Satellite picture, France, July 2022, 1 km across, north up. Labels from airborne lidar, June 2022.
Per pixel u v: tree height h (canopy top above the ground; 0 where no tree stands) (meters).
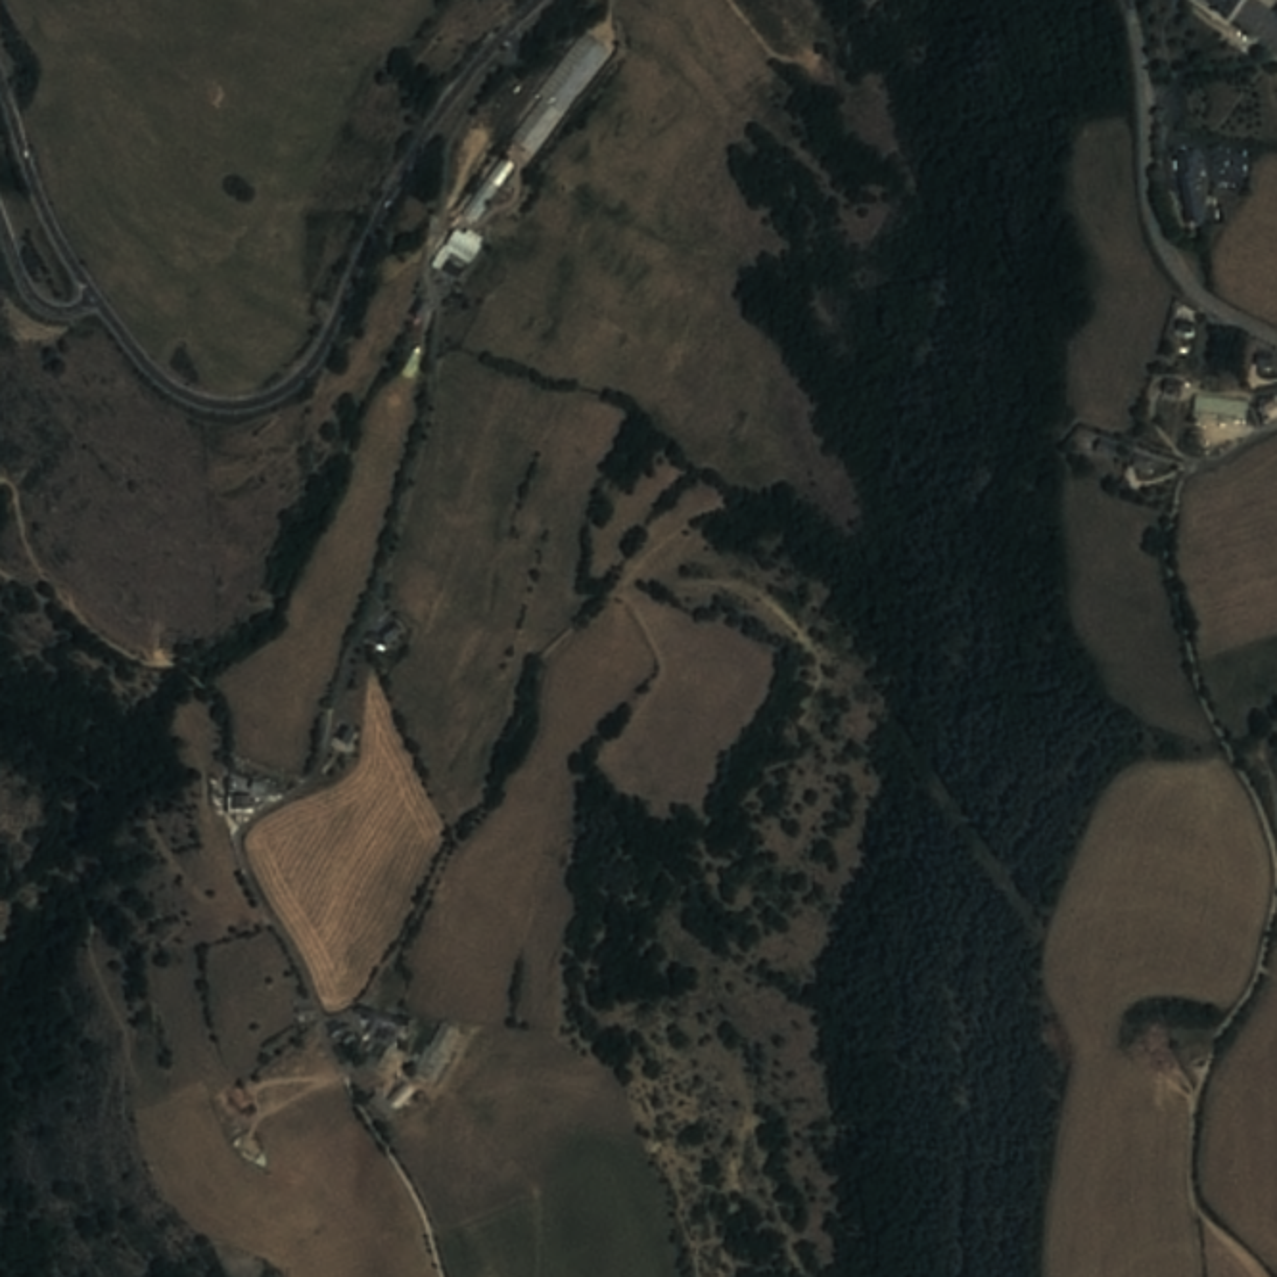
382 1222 0
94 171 0
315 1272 0
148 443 0
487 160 8
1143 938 0
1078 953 0
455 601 0
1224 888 0
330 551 0
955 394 16
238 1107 0
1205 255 8
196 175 0
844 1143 13
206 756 0
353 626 7
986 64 19
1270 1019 0
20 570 0
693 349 0
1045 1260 0
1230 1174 0
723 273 0
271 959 0
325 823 0
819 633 8
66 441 0
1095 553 0
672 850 13
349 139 0
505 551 0
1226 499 0
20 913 18
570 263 0
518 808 0
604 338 0
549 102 0
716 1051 0
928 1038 23
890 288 17
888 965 20
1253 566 0
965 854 27
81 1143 0
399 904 0
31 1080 11
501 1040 0
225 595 0
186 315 0
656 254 0
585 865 17
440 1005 0
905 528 19
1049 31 13
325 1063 0
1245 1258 0
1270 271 0
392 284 0
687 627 0
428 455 0
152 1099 0
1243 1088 0
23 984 32
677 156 0
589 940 13
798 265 7
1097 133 0
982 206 19
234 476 0
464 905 0
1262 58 20
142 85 0
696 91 0
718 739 0
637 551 11
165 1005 0
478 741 0
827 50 9
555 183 0
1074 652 15
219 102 0
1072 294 12
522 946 0
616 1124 0
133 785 13
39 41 0
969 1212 12
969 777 19
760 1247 13
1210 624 0
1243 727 0
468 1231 0
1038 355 11
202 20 0
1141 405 9
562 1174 0
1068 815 11
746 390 0
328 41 0
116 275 0
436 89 14
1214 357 17
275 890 0
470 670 0
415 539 0
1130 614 0
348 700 0
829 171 8
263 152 0
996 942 10
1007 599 15
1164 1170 0
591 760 15
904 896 19
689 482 7
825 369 16
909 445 14
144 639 0
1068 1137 0
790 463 0
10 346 0
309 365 0
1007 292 15
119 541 0
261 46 0
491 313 0
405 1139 0
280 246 0
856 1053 14
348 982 0
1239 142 6
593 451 0
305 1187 0
